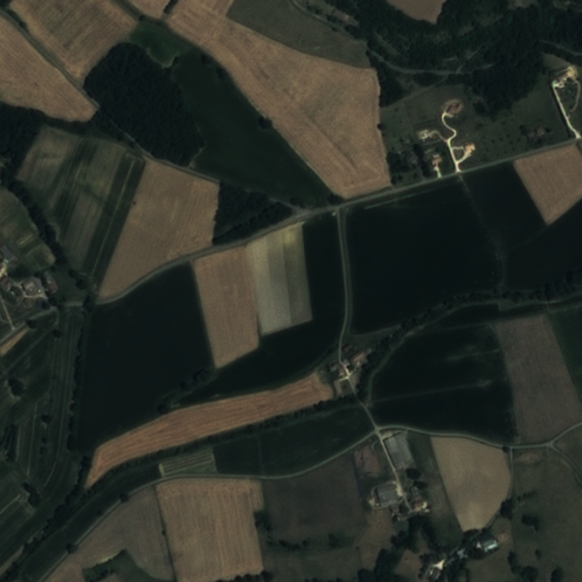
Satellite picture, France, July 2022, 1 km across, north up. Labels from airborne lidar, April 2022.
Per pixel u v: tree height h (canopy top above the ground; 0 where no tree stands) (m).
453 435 0
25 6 0
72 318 0
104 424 0
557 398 0
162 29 0
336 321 0
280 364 0
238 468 0
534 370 0
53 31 0
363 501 0
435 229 0
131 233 0
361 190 0
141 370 0
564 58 15
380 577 14
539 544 0
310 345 0
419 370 0
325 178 0
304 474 0
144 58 19
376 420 0
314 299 0
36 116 20
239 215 16
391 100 6
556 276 0
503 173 0
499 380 0
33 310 0
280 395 0
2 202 0
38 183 0
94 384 0
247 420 0
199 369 0
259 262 0
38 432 0
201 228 0
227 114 0
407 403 0
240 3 0
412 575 0
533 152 0
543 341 0
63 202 0
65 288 0
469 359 0
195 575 0
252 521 0
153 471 0
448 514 0
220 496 0
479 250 0
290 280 0
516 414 0
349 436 0
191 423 0
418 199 0
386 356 0
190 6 0
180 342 0
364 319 0
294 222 0
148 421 0
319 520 0
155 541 0
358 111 0
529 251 0
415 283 0
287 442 0
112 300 0
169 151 19
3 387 0
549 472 0
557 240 0
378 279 0
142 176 0
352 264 0
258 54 0
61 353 0
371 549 0
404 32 12
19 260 0
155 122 22
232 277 0
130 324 0
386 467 0
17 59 0
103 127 9
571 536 0
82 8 0
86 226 0
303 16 0
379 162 0
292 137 0
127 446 0
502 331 0
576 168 0
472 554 21
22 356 0
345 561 0
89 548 0
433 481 0
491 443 0
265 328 0
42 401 0
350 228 0
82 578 0
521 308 0
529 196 0
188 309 0
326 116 0
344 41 0
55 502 0
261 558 0
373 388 0
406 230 0
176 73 0
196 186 0
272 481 0
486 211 0
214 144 0
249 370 0
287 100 0
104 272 0
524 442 0
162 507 0
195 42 0
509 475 0
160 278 0
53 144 0
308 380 0
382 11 13
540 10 14
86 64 0
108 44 0
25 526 0
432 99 0
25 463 0
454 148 0
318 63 0
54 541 0
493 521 0
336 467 0
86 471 12
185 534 0
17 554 0
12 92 0
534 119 0
